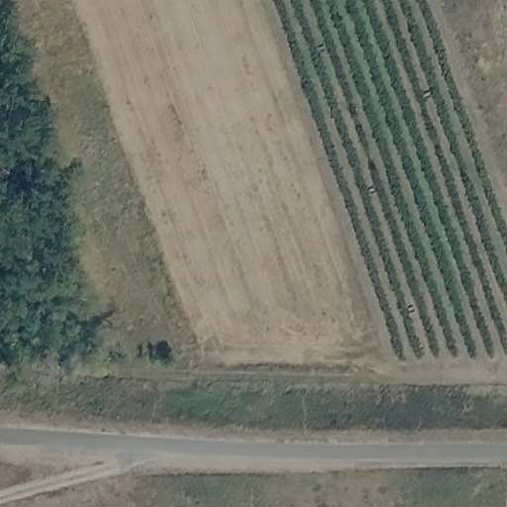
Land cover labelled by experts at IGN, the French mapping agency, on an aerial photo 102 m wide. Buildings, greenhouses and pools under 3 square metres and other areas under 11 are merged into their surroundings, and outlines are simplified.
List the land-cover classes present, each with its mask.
<instances>
[{"label":"agricultural land","instance_id":"1","mask_svg":"<svg viewBox=\"0 0 507 507\"><path fill-rule=\"evenodd\" d=\"M77 16L85 24L91 50L97 59L99 75L105 87L107 103L111 107V117L117 127L121 145L129 156L135 178L145 196L147 214L156 228L158 244L166 269L172 277L174 291L180 299L184 313L190 319V327L198 337L200 362L216 360L226 364H366L374 372L382 374L386 384L507 382V0H73ZM323 125H327V131L331 135L339 164L343 168V176L355 202L360 228L364 232L372 261L378 269V279L388 299V307L402 343V360L392 351L386 321L380 311L368 269L360 255L343 194L337 186L329 158L323 149V141L317 131ZM349 141L355 147L362 178L368 186L372 208L376 212L386 248L396 269V277L400 281V289L404 293V301L408 305L412 325L422 347V356L414 355L410 347L404 321L396 305V295L388 283L382 257L374 242L372 228L366 218L360 192L356 188L355 174L349 164L347 151L343 147ZM416 285L420 287V293L424 297L426 313L436 333L440 355L434 356L430 351L428 337L420 321L418 305L410 291ZM471 287L475 291L477 305L481 309L483 321L493 343L491 356L485 353L481 333L475 325L473 311L469 307L465 291ZM465 323L475 343V356L467 355L459 331V327Z\"/></svg>","mask_w":507,"mask_h":507},{"label":"herbaceous vegetation","instance_id":"2","mask_svg":"<svg viewBox=\"0 0 507 507\"><path fill-rule=\"evenodd\" d=\"M18 10V22L14 26H18L26 34V53L34 59L32 79H36V85L32 87V95L40 101V107L50 105L55 143L51 141L44 149V154L59 162L61 166H67L73 160L83 164L81 178L71 180V184H61L65 206L75 214V226L71 232V252L77 255L83 271L87 273V279L95 285L99 301L107 309L89 319V327L97 333L99 347L97 353L89 356L85 364L81 362V356L73 355L69 358L67 355H51L40 360L36 358L30 366H22V372L16 376L14 384L0 380V428L232 444L277 442L287 446H507V382L386 384L382 374L374 372L366 364H226L216 360L200 362L198 337L190 327V319L184 313L180 299L174 291L172 277L166 269L158 244L156 228L147 214L145 196L135 178L129 156L121 145L117 127L111 117V107L107 103L105 87L99 75L97 59L91 50L85 24L77 16L73 0H12ZM107 456L105 452L85 448L0 444V489H8L32 479L61 475L83 467H97L103 465ZM16 507H507V467H347L327 471L180 473H147L143 467H135L133 471H123L117 475L91 479L77 485L59 487L53 491L34 493L22 499Z\"/></svg>","mask_w":507,"mask_h":507},{"label":"deciduous trees","instance_id":"3","mask_svg":"<svg viewBox=\"0 0 507 507\"><path fill-rule=\"evenodd\" d=\"M18 22V10L12 0H0V380L14 384L16 376L22 372V366H30L36 358L40 360L51 355H67L69 358L73 355L81 356V362L85 364L89 356L97 353L99 347L97 333L89 327V319L107 309L99 301L95 285L87 279V273L83 271L77 255L71 252V232L75 226V214L65 206L61 184H71V180L81 178L83 164L73 160L67 166H61L59 162L44 154V149L51 141L55 143L50 105L40 107V101L32 95V87L36 85V79H32L34 59L26 53V34L18 26H14ZM317 131L323 141V149L329 158L337 186L343 194L360 255L368 269L380 311L386 321L392 351L402 360V343L388 307V299L378 279V269L372 261L364 232L360 228L355 202L343 176V168L339 164L331 135L327 131V125H323ZM343 147L347 151L349 164L355 174L356 188L360 192L366 218L372 228L374 242L382 257L388 283L396 295V305L404 321L410 347L414 355L422 356V347L412 325L408 305L404 301V293L400 289V281L396 277V269L386 248L376 212L372 208L368 186L362 178L355 147L349 141ZM410 291L418 305L420 321L428 337L430 351L434 356L440 355L436 333L426 313L424 297L420 293V287L416 285ZM469 307L473 311L475 325L481 333L485 353L491 356L493 343L483 321L481 309L477 305L475 291L471 287L465 291ZM459 331L467 355L475 356V343L465 323L459 327Z\"/></svg>","mask_w":507,"mask_h":507},{"label":"impervious surface","instance_id":"4","mask_svg":"<svg viewBox=\"0 0 507 507\"><path fill-rule=\"evenodd\" d=\"M0 444L85 448L105 452L107 456L117 457L119 465L156 457L158 452L186 456L293 459L507 457V446H287L277 442L232 444L0 428Z\"/></svg>","mask_w":507,"mask_h":507},{"label":"pervious surface","instance_id":"5","mask_svg":"<svg viewBox=\"0 0 507 507\"><path fill-rule=\"evenodd\" d=\"M507 467V457L293 459L186 456L158 452L156 457L119 465L117 457L107 456L103 465L97 467H83L61 475L32 479L8 489H0V507H16L22 499L34 493L53 491L59 487L77 485L91 479L117 475L123 471H133L135 467H143L147 473H180L327 471L347 467Z\"/></svg>","mask_w":507,"mask_h":507}]
</instances>
